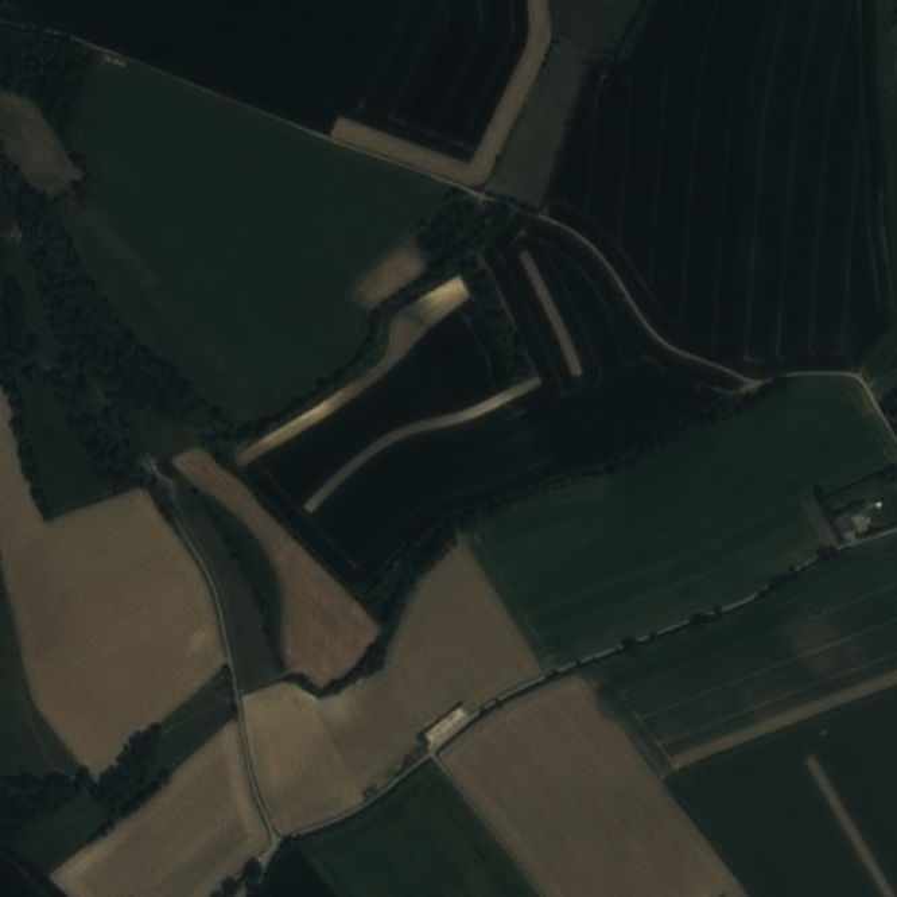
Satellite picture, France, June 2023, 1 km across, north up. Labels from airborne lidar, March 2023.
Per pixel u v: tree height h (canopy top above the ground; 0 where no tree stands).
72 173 0
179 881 0
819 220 0
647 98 0
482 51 0
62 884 0
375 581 8
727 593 0
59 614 0
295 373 0
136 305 0
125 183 0
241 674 0
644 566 0
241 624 0
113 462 25
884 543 0
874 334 0
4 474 0
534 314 0
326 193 0
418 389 0
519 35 0
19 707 0
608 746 0
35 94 13
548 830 0
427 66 0
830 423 0
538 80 0
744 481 0
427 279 9
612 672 0
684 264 0
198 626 0
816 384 0
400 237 0
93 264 0
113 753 0
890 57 0
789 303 0
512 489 0
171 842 0
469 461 0
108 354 24
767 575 0
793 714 0
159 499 12
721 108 0
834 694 0
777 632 0
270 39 0
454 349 0
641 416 0
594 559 0
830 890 0
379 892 0
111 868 0
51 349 0
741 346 0
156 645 0
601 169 0
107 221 0
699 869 0
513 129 0
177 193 0
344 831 0
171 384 22
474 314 0
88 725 0
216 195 0
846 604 0
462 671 0
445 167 0
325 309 0
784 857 0
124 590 0
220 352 0
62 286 27
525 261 0
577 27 0
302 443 0
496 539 0
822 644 0
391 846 0
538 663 0
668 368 0
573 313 0
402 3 0
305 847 0
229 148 0
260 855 0
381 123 0
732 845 0
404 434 0
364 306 0
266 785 0
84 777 18
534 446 0
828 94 0
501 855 0
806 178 0
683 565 0
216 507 0
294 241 0
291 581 0
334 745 0
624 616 0
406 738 0
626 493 0
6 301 8
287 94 0
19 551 0
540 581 0
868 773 0
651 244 0
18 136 0
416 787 0
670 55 0
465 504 0
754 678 0
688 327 0
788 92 0
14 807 22
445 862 0
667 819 0
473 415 0
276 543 0
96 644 0
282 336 0
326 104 0
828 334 0
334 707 0
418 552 10
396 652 0
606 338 0
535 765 0
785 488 0
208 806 0
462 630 0
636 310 0
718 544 0
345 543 0
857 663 0
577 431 0
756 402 16
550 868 0
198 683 0
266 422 7
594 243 0
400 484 0
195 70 0
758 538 0
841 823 0
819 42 0
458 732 0
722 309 0
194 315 0
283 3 0
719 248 0
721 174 0
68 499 0
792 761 0
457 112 0
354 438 0
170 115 0
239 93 0
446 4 0
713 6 0
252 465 0
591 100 0
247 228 0
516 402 0
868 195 0
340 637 0
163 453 0
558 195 0
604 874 0
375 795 0
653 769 0
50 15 0
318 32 0
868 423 0
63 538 0
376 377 0
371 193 0
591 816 0
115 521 0
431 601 0
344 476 0
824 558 16
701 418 15
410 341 0
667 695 0
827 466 0
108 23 0
